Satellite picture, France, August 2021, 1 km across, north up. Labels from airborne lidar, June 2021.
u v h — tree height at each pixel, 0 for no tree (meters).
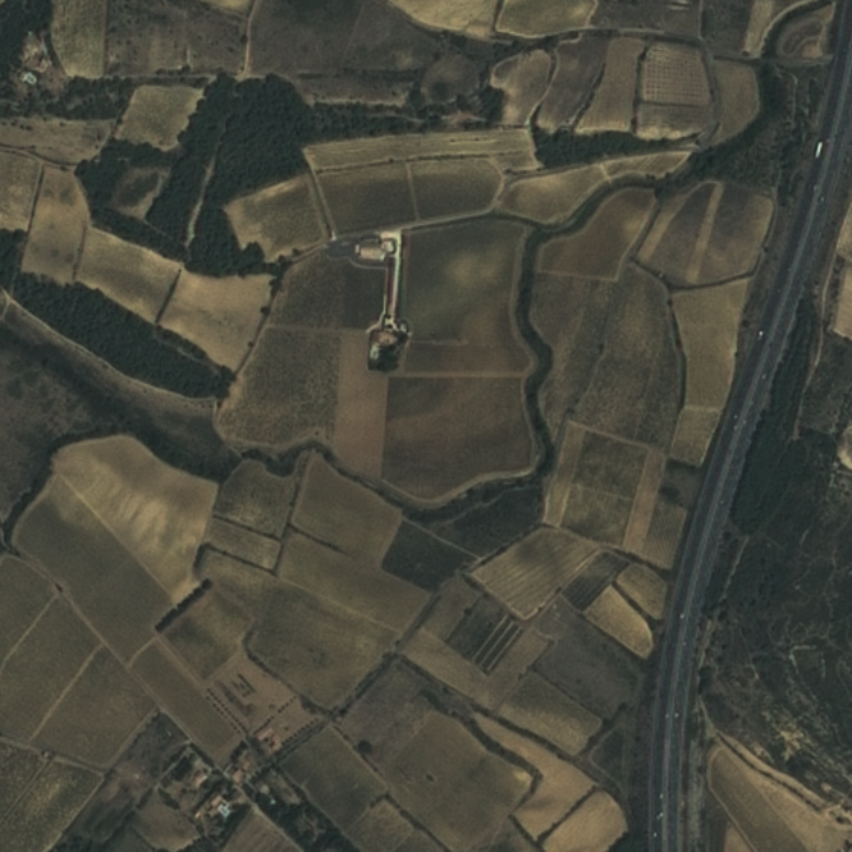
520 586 0
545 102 0
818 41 0
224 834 6
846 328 0
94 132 0
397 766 0
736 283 0
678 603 0
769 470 12
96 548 0
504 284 0
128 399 0
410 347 0
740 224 0
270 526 0
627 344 0
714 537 0
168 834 0
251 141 12
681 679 0
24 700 0
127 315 8
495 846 0
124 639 0
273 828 0
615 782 0
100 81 6
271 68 0
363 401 0
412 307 0
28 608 0
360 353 0
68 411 0
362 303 0
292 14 0
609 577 0
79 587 0
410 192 0
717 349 0
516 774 0
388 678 0
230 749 0
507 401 0
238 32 0
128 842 0
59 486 0
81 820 0
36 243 0
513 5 0
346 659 0
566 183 0
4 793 0
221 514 0
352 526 0
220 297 0
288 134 14
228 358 0
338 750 0
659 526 0
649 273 0
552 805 0
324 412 0
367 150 0
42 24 7
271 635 0
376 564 0
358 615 0
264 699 0
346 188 0
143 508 0
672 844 0
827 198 0
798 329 7
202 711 0
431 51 0
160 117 0
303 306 0
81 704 0
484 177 0
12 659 0
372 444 0
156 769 0
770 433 7
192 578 0
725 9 0
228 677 0
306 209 0
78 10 0
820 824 0
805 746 0
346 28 0
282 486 0
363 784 0
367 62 0
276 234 0
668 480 0
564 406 0
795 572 0
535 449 0
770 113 8
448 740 0
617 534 0
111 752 0
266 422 0
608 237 0
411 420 0
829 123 0
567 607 0
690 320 0
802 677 0
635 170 0
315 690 0
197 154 9
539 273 0
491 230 0
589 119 0
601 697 0
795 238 0
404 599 0
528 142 0
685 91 0
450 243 0
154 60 0
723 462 0
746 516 10
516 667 0
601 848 0
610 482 0
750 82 0
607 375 0
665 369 0
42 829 0
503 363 0
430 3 0
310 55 0
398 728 0
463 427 0
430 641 0
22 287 7
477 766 0
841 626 0
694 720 0
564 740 0
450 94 0
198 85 6
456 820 0
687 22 0
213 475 7
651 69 0
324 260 0
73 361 0
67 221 0
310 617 0
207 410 0
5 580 0
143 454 0
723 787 0
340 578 0
